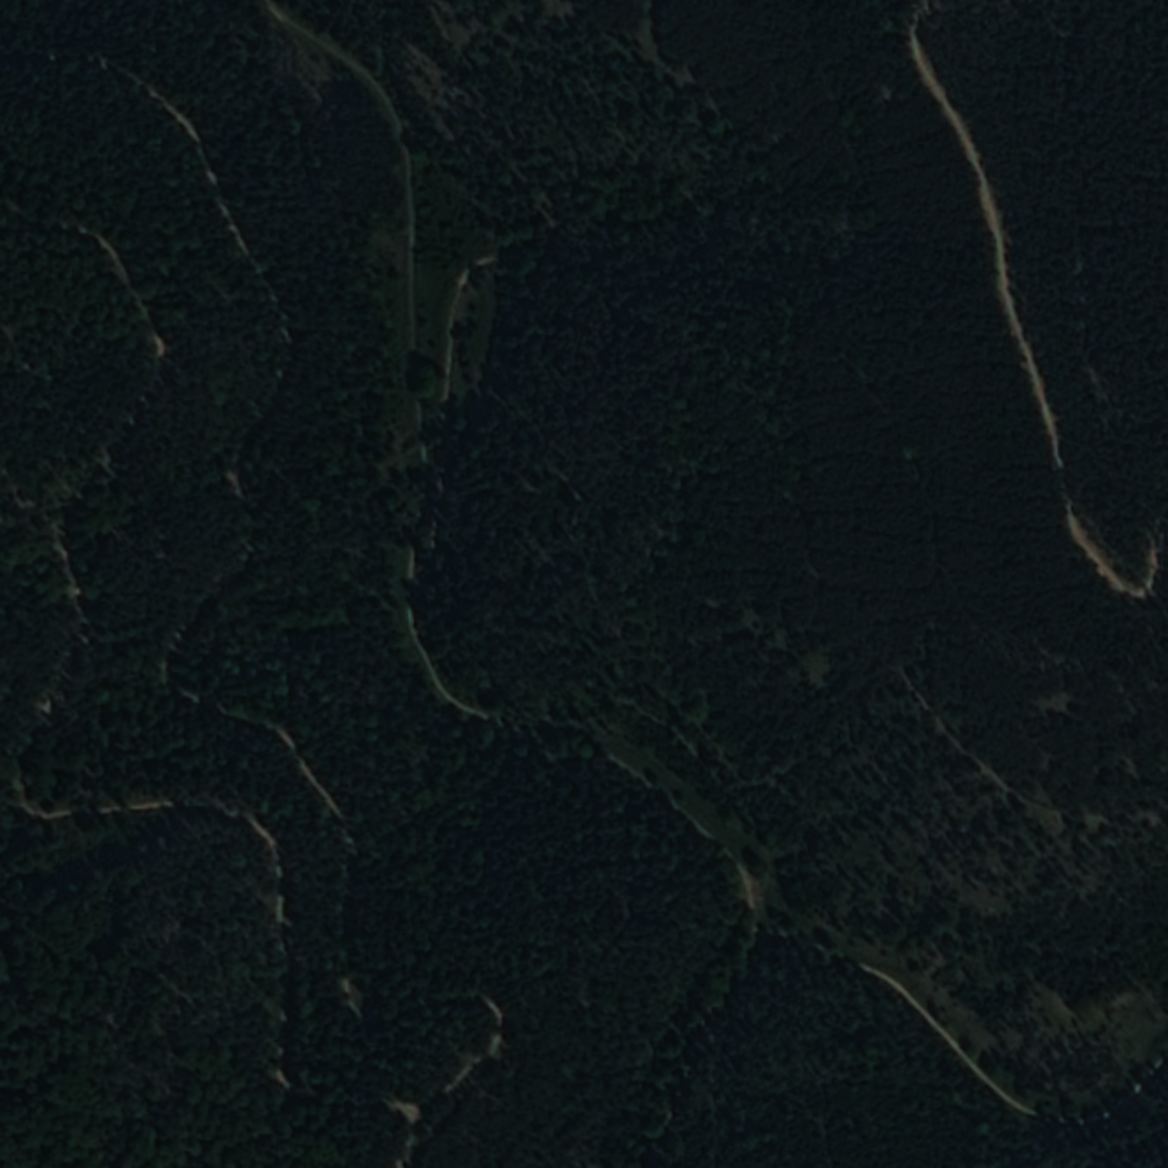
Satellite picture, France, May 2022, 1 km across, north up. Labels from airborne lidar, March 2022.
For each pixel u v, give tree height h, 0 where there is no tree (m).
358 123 32
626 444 30
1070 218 25
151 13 19
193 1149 33
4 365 24
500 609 34
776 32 18
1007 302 0
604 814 29
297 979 30
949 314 26
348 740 27
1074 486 27
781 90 20
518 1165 19
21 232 26
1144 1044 0
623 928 30
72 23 26
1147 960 23
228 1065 34
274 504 26
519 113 34
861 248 24
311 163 20
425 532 9
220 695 29
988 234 25
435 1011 20
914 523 23
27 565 25
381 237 0
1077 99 25
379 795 18
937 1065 14
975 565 24
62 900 32
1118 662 23
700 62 22
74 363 27
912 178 23
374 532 30
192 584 17
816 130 18
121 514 25
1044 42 28
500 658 31
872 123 22
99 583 25
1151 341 23
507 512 35
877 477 21
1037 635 24
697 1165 14
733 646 20
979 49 22
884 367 22
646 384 28
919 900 7
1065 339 23
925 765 32
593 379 34
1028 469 27
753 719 17
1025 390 23
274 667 25
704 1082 33
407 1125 11
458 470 33
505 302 12
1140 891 9
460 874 28
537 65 28
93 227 26
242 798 32
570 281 31
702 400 24
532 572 16
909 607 19
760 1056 31
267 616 31
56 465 26
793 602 18
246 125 28
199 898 27
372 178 34
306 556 22
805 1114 11
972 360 21
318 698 22
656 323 32
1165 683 19
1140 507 24
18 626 28
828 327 23
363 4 27
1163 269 24
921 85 19
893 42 15
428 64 6
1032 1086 29
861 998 10
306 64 31
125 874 36
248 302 29
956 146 19
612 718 34
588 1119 27
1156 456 25
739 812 12
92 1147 32
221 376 28
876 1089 10
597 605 35
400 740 29
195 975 33
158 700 34
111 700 26
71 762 32
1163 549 28
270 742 25
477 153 32
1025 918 34
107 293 25
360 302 36
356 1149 14
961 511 25
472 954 27
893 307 23
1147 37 23
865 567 20
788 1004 31
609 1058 27
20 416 26
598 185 20
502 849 27
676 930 29
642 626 14
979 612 20
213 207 33
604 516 9
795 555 22
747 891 0
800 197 23
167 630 22
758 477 24
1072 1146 36
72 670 33
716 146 24
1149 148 23
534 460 32
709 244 32
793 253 9
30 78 26
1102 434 24
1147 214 23
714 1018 34
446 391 0
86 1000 25
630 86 26
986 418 24
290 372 26
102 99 27
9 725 28
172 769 33
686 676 17
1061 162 24
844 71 17
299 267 31
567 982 22
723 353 22
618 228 32
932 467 25
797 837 8
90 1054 30
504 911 22
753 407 23
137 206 31
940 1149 8
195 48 25
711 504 28
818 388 19
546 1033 21
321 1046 32
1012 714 20
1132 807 16
